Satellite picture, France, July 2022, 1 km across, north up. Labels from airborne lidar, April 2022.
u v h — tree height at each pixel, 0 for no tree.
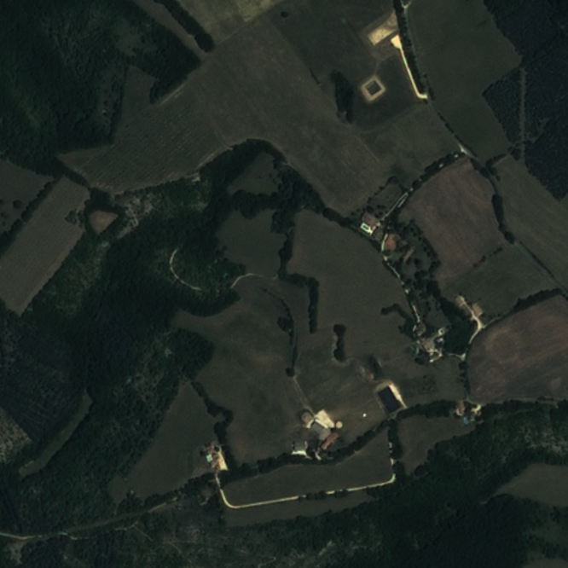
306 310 0
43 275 0
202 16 0
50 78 18
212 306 10
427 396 0
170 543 0
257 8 0
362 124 0
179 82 8
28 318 9
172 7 12
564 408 11
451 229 0
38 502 8
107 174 0
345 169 0
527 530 10
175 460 0
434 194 0
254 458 0
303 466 0
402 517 14
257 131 0
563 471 0
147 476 0
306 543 9
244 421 0
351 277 0
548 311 0
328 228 0
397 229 8
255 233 0
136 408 10
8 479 14
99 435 9
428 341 0
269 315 0
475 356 0
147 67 10
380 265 0
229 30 0
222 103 0
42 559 15
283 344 0
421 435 0
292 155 0
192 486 9
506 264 0
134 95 0
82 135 16
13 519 15
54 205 0
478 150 0
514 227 0
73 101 14
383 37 0
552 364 0
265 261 0
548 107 9
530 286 0
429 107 0
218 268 7
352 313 0
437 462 12
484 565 15
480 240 0
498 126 0
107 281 13
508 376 0
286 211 11
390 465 0
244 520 0
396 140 0
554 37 11
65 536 8
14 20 15
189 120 0
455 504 18
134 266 14
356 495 0
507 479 14
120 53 8
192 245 12
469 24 0
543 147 9
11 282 0
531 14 11
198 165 0
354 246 0
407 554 11
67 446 15
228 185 16
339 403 0
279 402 0
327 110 0
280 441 0
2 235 12
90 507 5
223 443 11
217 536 0
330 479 0
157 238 13
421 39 0
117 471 6
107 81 0
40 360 16
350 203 0
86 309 14
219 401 0
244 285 0
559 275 0
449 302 12
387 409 0
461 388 0
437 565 13
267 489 0
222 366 0
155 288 10
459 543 14
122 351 17
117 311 11
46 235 0
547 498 0
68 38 7
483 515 18
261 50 0
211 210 10
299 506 0
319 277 0
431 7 0
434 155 0
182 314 0
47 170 10
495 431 8
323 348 0
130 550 7
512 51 0
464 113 0
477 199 0
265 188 0
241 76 0
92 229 9
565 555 8
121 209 10
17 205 11
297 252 0
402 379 0
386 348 0
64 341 10
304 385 0
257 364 0
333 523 10
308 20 0
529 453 9
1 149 7
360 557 10
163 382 8
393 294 0
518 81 8
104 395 8
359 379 0
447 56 0
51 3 11
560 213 0
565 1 21
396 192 0
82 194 0
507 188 0
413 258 9
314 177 0
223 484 10
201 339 12
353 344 0
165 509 0
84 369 17
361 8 0
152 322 9
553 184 8
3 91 13
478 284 0
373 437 10
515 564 14
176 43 15
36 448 12
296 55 0
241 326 0
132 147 0
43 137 11
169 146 0
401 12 10
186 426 0
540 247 0
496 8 15
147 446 9
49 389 8
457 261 0
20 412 11
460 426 0
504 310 0
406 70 0
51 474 13
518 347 0
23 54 9
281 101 0
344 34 0
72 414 17
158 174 0
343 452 9
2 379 13
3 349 8
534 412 8
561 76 11
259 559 0
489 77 0
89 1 9
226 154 10
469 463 9
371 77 0
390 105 0
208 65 0
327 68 0
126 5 15
